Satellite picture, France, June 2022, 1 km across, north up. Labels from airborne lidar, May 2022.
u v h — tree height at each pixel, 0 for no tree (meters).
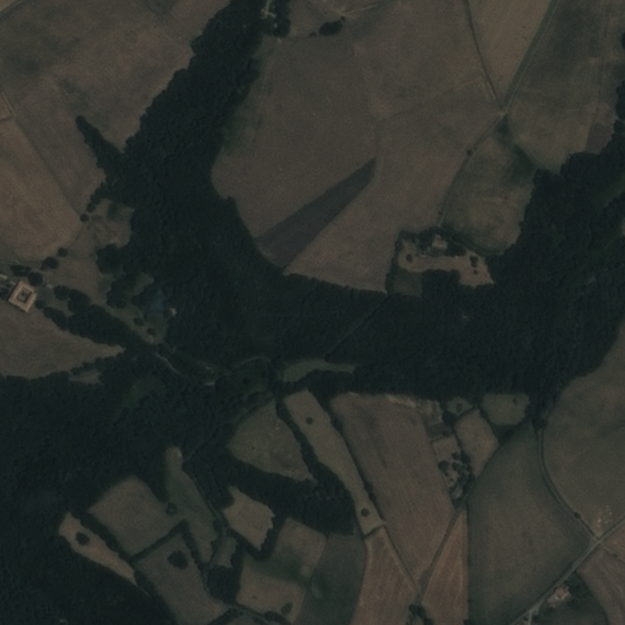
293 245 0
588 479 0
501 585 0
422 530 0
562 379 13
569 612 0
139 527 0
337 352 13
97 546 0
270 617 15
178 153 16
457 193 0
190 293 16
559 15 0
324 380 23
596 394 0
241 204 0
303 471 0
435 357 19
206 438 17
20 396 19
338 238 0
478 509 0
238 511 0
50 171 0
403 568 0
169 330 10
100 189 8
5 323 0
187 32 0
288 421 7
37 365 0
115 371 20
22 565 8
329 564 0
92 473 17
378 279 0
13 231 0
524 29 0
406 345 9
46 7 0
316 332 8
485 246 0
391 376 23
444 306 14
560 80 0
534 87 0
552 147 0
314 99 0
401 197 0
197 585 0
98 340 21
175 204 15
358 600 0
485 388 10
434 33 0
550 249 16
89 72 0
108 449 14
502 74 0
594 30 0
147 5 0
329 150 0
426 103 0
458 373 22
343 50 0
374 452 0
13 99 0
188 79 19
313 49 0
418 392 16
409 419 0
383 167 0
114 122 0
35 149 0
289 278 10
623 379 0
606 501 0
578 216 20
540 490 0
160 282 26
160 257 22
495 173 0
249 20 18
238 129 0
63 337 0
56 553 7
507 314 13
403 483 0
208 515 0
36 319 0
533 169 0
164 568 0
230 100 11
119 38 0
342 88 0
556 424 0
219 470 16
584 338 15
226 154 0
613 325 11
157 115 19
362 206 0
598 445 0
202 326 12
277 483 22
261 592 0
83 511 11
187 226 12
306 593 0
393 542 0
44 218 0
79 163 0
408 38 0
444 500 0
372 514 0
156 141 17
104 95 0
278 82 0
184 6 0
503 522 0
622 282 10
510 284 13
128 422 26
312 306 10
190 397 28
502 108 0
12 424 25
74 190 0
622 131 20
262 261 8
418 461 0
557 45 0
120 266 18
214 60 17
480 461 0
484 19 0
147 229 23
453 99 0
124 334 17
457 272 9
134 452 24
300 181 0
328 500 14
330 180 0
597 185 23
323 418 0
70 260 0
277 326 10
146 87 0
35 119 0
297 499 19
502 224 0
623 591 0
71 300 10
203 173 11
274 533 15
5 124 0
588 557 0
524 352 16
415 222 0
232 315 7
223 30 18
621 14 0
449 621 0
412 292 0
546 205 16
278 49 0
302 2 0
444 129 0
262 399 14
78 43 0
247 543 9
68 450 25
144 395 0
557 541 0
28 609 20
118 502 0
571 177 21
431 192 0
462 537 0
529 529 0
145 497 0
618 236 0
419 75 0
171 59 0
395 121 0
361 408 0
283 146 0
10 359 0
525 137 0
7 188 0
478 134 0
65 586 6
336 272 0
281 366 23
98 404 20
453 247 6
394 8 0
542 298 24
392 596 0
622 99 16
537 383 15
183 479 0
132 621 8
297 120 0
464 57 0
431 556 0
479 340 15
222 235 8
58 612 10
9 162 0
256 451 0
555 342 24
